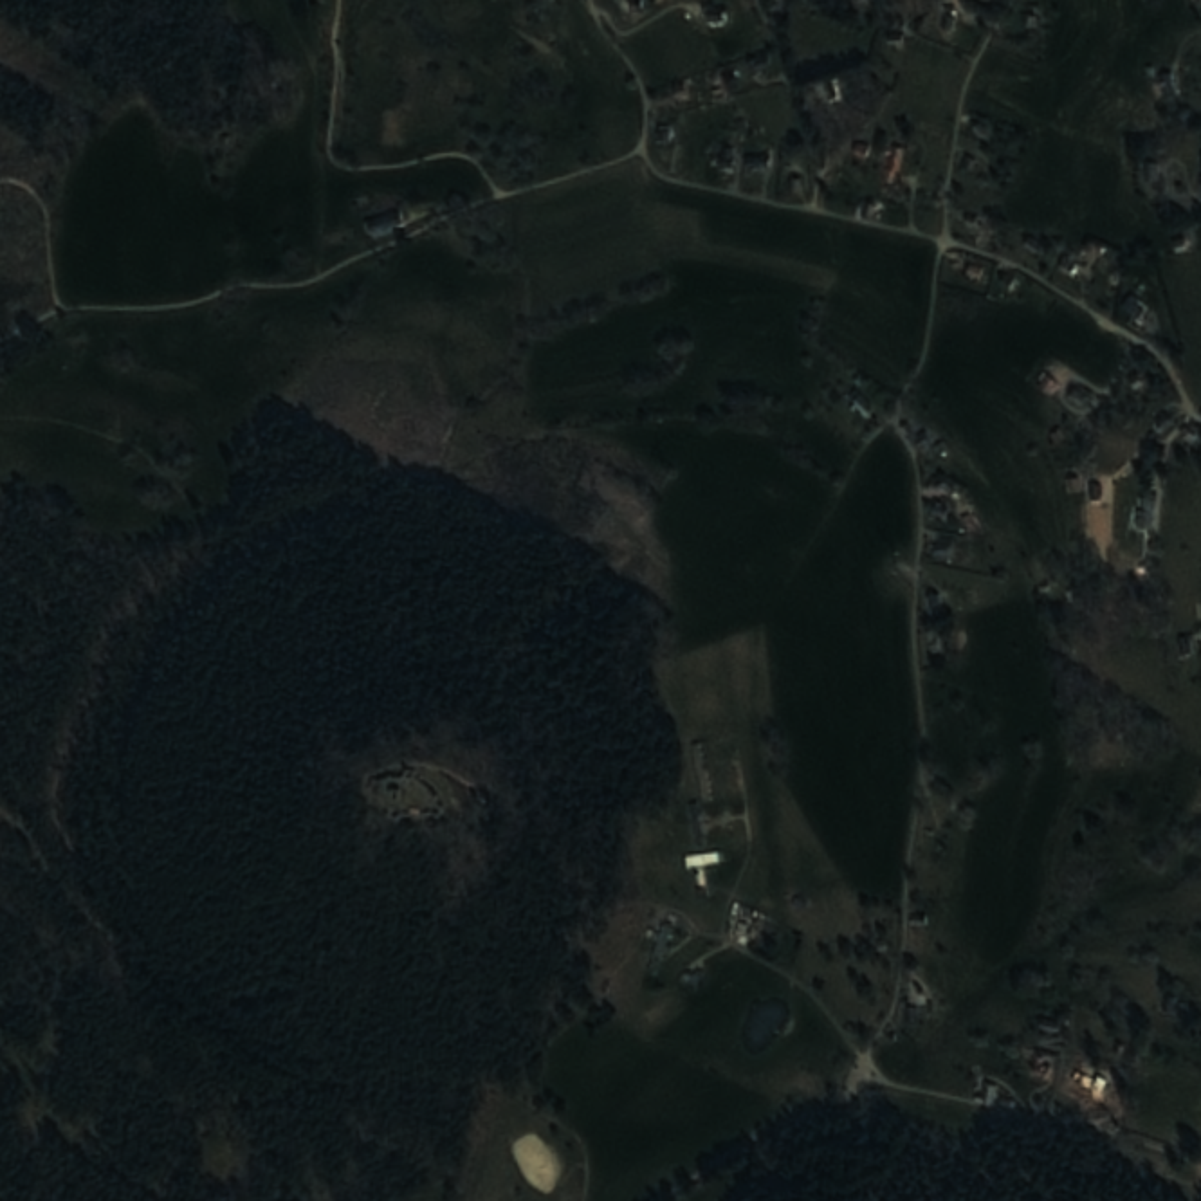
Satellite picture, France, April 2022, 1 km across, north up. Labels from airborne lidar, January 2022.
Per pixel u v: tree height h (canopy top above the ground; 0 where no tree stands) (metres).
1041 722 0
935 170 0
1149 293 0
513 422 0
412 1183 24
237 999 10
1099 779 0
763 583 0
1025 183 0
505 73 0
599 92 0
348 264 0
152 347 0
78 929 24
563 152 0
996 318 0
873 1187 18
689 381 0
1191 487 0
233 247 12
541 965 22
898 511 0
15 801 24
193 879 21
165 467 13
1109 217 0
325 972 12
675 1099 0
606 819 28
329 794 16
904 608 0
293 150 0
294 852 22
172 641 23
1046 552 0
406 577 17
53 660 24
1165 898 0
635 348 0
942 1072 0
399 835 19
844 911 0
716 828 0
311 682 19
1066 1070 0
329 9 0
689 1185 16
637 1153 0
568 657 21
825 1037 0
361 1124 21
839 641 0
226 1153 0
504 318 0
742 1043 0
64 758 18
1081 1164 30
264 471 17
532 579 15
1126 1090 25
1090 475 11
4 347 17
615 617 30
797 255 0
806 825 0
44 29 17
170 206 0
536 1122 0
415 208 11
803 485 0
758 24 8
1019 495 0
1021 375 0
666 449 0
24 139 15
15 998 20
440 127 0
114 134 0
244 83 22
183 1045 25
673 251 0
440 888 18
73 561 19
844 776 0
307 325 0
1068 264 0
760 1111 0
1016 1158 25
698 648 0
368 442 0
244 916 19
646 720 23
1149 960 9
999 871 0
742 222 0
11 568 16
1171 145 13
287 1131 21
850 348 0
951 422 0
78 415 0
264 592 23
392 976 19
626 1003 0
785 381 0
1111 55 0
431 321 0
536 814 27
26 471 0
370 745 18
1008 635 0
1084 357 0
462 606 27
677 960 0
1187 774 0
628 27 0
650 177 0
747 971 0
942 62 0
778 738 15
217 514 0
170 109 23
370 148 0
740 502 0
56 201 11
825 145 14
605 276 0
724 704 0
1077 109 0
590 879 24
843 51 0
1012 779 0
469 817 18
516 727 19
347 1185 24
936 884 0
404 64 0
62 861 20
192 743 20
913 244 0
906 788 0
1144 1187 9
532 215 0
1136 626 20
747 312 0
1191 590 0
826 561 0
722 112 0
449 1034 20
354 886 19
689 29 0
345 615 18
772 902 0
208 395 0
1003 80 0
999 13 15
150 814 22
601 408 0
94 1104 21
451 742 10
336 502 7
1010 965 0
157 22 22
